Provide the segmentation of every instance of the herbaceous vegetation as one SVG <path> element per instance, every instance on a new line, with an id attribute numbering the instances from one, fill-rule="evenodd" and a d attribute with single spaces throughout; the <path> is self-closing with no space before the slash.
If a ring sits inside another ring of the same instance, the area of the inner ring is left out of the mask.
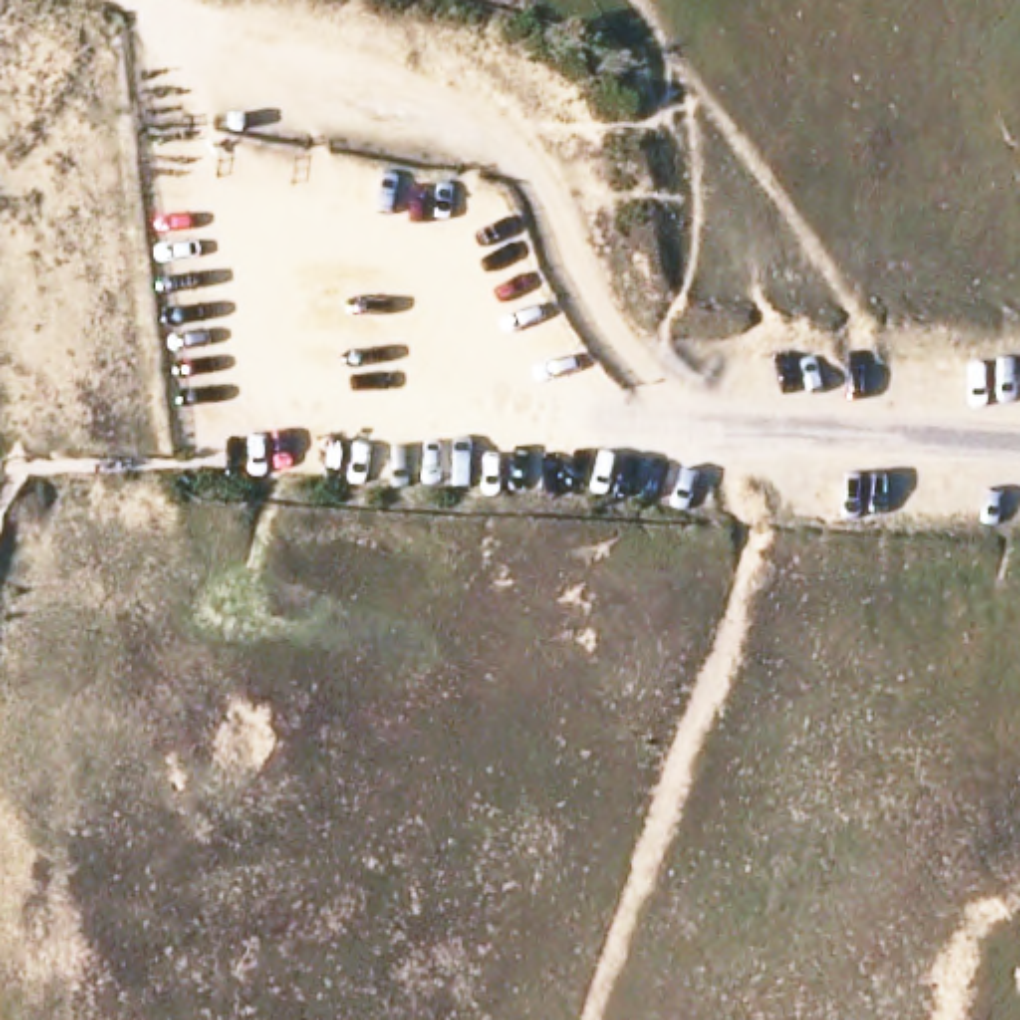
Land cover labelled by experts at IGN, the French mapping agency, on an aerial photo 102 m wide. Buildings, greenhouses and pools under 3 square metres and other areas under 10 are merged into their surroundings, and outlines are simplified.
<path id="1" fill-rule="evenodd" d="M 645 179 L 653 179 L 653 187 L 665 191 L 689 183 L 685 151 L 665 131 L 622 131 L 602 139 L 606 183 L 614 191 L 638 187 Z"/>
<path id="2" fill-rule="evenodd" d="M 279 801 L 275 813 L 247 813 L 239 821 L 223 821 L 219 829 L 211 829 L 211 841 L 195 841 L 167 805 L 151 805 L 131 793 L 96 797 L 80 809 L 80 821 L 88 821 L 92 837 L 72 837 L 68 893 L 80 908 L 80 932 L 88 948 L 112 972 L 108 988 L 96 996 L 104 1020 L 582 1020 L 614 912 L 630 885 L 634 849 L 649 821 L 661 765 L 689 709 L 697 673 L 705 669 L 717 630 L 725 622 L 741 550 L 729 542 L 729 534 L 709 530 L 705 514 L 673 510 L 665 498 L 649 506 L 634 502 L 614 478 L 590 510 L 498 510 L 486 498 L 478 510 L 462 510 L 438 502 L 434 494 L 422 506 L 406 506 L 390 486 L 371 490 L 367 506 L 355 506 L 351 498 L 339 510 L 331 510 L 307 498 L 303 518 L 279 514 L 263 562 L 267 610 L 291 622 L 279 638 L 251 641 L 243 653 L 235 653 L 227 673 L 251 705 L 263 705 L 271 713 L 275 745 L 259 769 L 271 781 L 291 777 L 287 801 Z M 462 960 L 482 968 L 482 976 L 474 980 L 478 1004 L 458 1004 L 450 992 L 430 992 L 422 1016 L 410 1016 L 410 1000 L 394 968 L 426 940 L 462 940 Z"/>
<path id="3" fill-rule="evenodd" d="M 741 135 L 769 163 L 769 171 L 789 191 L 821 247 L 833 255 L 845 283 L 861 295 L 861 307 L 865 315 L 873 315 L 873 323 L 944 323 L 984 335 L 1020 331 L 1020 0 L 653 0 L 669 24 L 677 60 L 685 60 L 705 80 L 705 88 L 721 100 Z"/>
<path id="4" fill-rule="evenodd" d="M 665 287 L 677 291 L 689 243 L 689 211 L 638 199 L 618 203 L 618 235 L 634 239 L 657 263 Z"/>
<path id="5" fill-rule="evenodd" d="M 179 530 L 191 562 L 219 578 L 231 566 L 247 562 L 263 506 L 215 502 L 211 494 L 195 494 L 179 506 Z"/>
<path id="6" fill-rule="evenodd" d="M 928 530 L 845 530 L 837 522 L 801 518 L 797 526 L 773 526 L 773 542 L 761 554 L 761 590 L 749 598 L 741 665 L 729 681 L 725 705 L 713 713 L 697 745 L 677 829 L 661 853 L 653 889 L 638 908 L 626 960 L 614 976 L 602 1020 L 932 1020 L 932 964 L 964 924 L 968 904 L 1000 900 L 1020 881 L 1020 550 L 1008 586 L 996 590 L 992 578 L 1004 554 L 1004 534 L 980 522 L 948 522 Z"/>
<path id="7" fill-rule="evenodd" d="M 996 920 L 984 936 L 976 972 L 968 980 L 964 1020 L 1020 1020 L 1020 912 Z"/>
<path id="8" fill-rule="evenodd" d="M 634 112 L 641 116 L 653 116 L 665 104 L 681 104 L 685 92 L 677 80 L 665 80 L 653 32 L 626 0 L 490 0 L 490 20 L 502 28 L 522 8 L 530 8 L 538 28 L 578 20 L 582 28 L 602 32 L 610 48 L 630 52 L 630 68 L 618 72 L 618 84 L 638 96 Z"/>

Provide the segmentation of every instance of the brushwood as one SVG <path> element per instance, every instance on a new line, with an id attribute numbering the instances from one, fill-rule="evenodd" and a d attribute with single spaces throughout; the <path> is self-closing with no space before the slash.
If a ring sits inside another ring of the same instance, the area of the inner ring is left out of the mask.
<path id="1" fill-rule="evenodd" d="M 394 16 L 410 8 L 426 24 L 466 28 L 490 20 L 490 0 L 371 0 L 371 12 Z"/>
<path id="2" fill-rule="evenodd" d="M 339 510 L 351 498 L 351 482 L 327 470 L 299 478 L 307 498 L 331 510 Z"/>
<path id="3" fill-rule="evenodd" d="M 271 494 L 271 478 L 247 474 L 247 466 L 171 470 L 163 494 L 179 506 L 195 494 L 211 494 L 215 502 L 263 506 Z"/>
<path id="4" fill-rule="evenodd" d="M 522 8 L 502 28 L 506 44 L 526 44 L 530 60 L 578 84 L 594 120 L 641 116 L 634 112 L 638 96 L 618 84 L 618 72 L 630 68 L 630 52 L 610 48 L 602 32 L 582 28 L 578 20 L 538 28 L 530 8 Z"/>

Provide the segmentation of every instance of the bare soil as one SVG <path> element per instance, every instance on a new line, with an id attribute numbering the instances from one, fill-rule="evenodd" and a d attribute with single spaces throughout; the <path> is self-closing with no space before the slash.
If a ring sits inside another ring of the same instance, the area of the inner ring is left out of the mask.
<path id="1" fill-rule="evenodd" d="M 88 821 L 80 821 L 80 809 L 96 797 L 131 793 L 151 805 L 167 805 L 195 841 L 211 841 L 211 829 L 219 829 L 223 821 L 239 821 L 247 813 L 275 813 L 279 801 L 287 801 L 291 777 L 271 781 L 259 769 L 275 745 L 271 713 L 263 705 L 251 705 L 227 673 L 235 653 L 243 653 L 251 641 L 203 626 L 195 614 L 199 594 L 219 578 L 191 562 L 179 530 L 179 506 L 163 494 L 171 470 L 139 466 L 139 482 L 124 490 L 104 486 L 104 474 L 124 474 L 120 462 L 96 462 L 92 474 L 28 478 L 12 498 L 0 530 L 0 1020 L 104 1020 L 96 996 L 108 988 L 112 972 L 88 948 L 80 932 L 80 908 L 68 893 L 72 837 L 92 837 Z"/>
<path id="2" fill-rule="evenodd" d="M 450 992 L 458 1004 L 478 1004 L 474 980 L 482 976 L 482 968 L 462 960 L 462 940 L 426 940 L 394 968 L 410 1000 L 410 1016 L 422 1016 L 430 992 Z"/>
<path id="3" fill-rule="evenodd" d="M 932 1020 L 964 1020 L 968 980 L 976 972 L 984 936 L 996 920 L 1020 912 L 1020 881 L 1000 900 L 968 904 L 964 924 L 932 964 Z"/>
<path id="4" fill-rule="evenodd" d="M 705 147 L 701 267 L 693 279 L 693 295 L 669 335 L 669 347 L 677 339 L 733 339 L 753 331 L 761 315 L 749 303 L 749 287 L 765 287 L 781 319 L 809 319 L 821 331 L 849 327 L 845 307 L 829 295 L 825 279 L 801 255 L 769 195 L 733 155 L 717 124 L 697 108 Z"/>

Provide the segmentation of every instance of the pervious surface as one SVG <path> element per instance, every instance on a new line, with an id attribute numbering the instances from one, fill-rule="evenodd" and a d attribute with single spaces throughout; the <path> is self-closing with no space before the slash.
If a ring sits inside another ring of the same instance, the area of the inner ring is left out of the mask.
<path id="1" fill-rule="evenodd" d="M 582 1020 L 602 1020 L 614 976 L 626 960 L 638 908 L 653 889 L 661 853 L 677 829 L 697 745 L 713 713 L 725 705 L 729 681 L 741 665 L 749 598 L 761 590 L 761 554 L 773 542 L 773 526 L 797 526 L 801 518 L 837 522 L 845 530 L 928 530 L 948 522 L 980 522 L 1004 534 L 1004 554 L 992 578 L 996 590 L 1008 586 L 1020 550 L 1020 331 L 984 335 L 944 323 L 873 323 L 873 315 L 865 315 L 861 307 L 861 295 L 845 283 L 833 255 L 821 247 L 789 191 L 769 171 L 769 163 L 741 135 L 721 100 L 705 88 L 705 80 L 685 60 L 677 60 L 669 24 L 653 0 L 626 0 L 653 32 L 665 80 L 677 80 L 685 92 L 681 104 L 665 104 L 653 116 L 641 116 L 594 120 L 578 84 L 530 60 L 526 44 L 506 44 L 502 28 L 490 20 L 466 28 L 426 24 L 410 8 L 394 16 L 371 12 L 371 0 L 0 0 L 0 530 L 12 498 L 28 478 L 92 474 L 96 462 L 120 462 L 124 474 L 104 474 L 104 486 L 124 490 L 139 482 L 139 466 L 171 470 L 247 466 L 247 474 L 271 478 L 271 494 L 263 506 L 247 562 L 231 566 L 219 578 L 199 594 L 195 614 L 203 626 L 251 641 L 279 638 L 291 622 L 267 610 L 263 562 L 279 514 L 303 518 L 307 498 L 299 478 L 327 470 L 351 482 L 351 498 L 355 506 L 367 506 L 371 490 L 390 486 L 406 506 L 422 506 L 434 494 L 438 502 L 462 510 L 478 510 L 486 498 L 498 510 L 590 510 L 614 478 L 634 502 L 649 506 L 665 498 L 673 510 L 705 514 L 709 530 L 729 534 L 729 542 L 741 550 L 725 622 L 717 630 L 705 669 L 697 673 L 689 709 L 661 765 L 649 821 L 634 849 L 630 885 L 614 912 Z M 821 331 L 809 319 L 781 319 L 765 287 L 749 287 L 749 303 L 761 315 L 753 331 L 733 339 L 677 339 L 669 347 L 669 335 L 693 295 L 693 279 L 701 267 L 705 147 L 697 108 L 717 124 L 733 155 L 769 195 L 801 255 L 825 279 L 829 295 L 845 307 L 849 327 Z M 645 179 L 638 187 L 614 191 L 606 183 L 602 139 L 622 131 L 665 131 L 685 151 L 689 183 L 665 191 L 653 187 L 653 179 Z M 689 211 L 689 243 L 677 291 L 665 287 L 657 263 L 634 239 L 618 235 L 618 203 L 638 199 Z"/>

